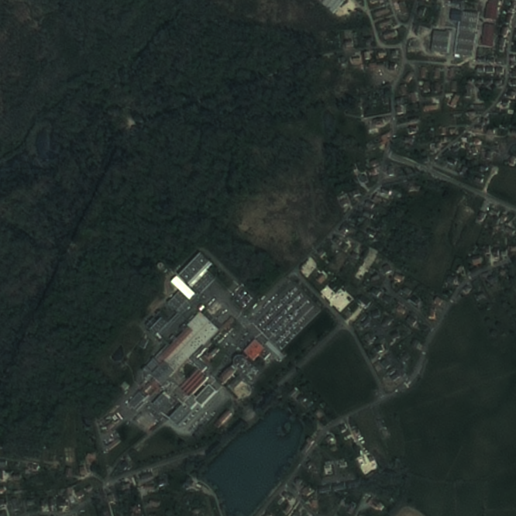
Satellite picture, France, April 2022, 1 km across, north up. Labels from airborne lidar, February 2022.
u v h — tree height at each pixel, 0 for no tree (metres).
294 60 19
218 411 0
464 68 0
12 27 0
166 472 0
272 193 0
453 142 0
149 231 28
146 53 20
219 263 0
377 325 0
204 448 0
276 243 0
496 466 0
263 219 0
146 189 30
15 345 21
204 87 27
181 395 0
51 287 19
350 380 0
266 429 0
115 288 28
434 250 0
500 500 0
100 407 20
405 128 0
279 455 0
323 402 6
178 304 0
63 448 0
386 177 0
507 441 0
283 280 0
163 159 28
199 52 25
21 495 0
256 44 23
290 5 0
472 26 0
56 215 22
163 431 0
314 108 7
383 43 0
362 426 0
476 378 0
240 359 0
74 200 28
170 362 0
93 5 29
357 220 10
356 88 0
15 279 23
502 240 0
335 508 0
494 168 0
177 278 0
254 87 22
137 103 6
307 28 0
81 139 23
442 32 0
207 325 0
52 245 27
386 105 0
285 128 0
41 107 19
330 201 0
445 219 0
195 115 22
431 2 0
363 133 0
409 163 0
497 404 0
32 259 29
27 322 25
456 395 0
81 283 26
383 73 0
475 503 0
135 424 0
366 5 0
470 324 0
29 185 28
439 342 0
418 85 0
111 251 27
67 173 23
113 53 29
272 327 0
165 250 19
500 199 0
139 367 0
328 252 0
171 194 28
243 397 0
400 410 0
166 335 0
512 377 0
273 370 0
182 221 24
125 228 25
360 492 17
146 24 23
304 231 0
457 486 0
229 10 0
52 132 21
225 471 0
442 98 0
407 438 0
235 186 27
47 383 27
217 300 0
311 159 0
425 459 0
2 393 14
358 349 0
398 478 20
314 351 0
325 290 0
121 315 25
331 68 0
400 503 17
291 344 0
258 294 14
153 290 29
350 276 0
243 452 0
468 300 0
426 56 0
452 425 0
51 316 27
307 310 0
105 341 26
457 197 0
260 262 27
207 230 26
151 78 24
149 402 0
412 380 0
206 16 22
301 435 0
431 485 0
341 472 0
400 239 10
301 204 0
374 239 8
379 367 0
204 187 24
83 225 23
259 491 0
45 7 24
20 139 23
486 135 0
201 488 0
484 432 0
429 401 0
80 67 0
